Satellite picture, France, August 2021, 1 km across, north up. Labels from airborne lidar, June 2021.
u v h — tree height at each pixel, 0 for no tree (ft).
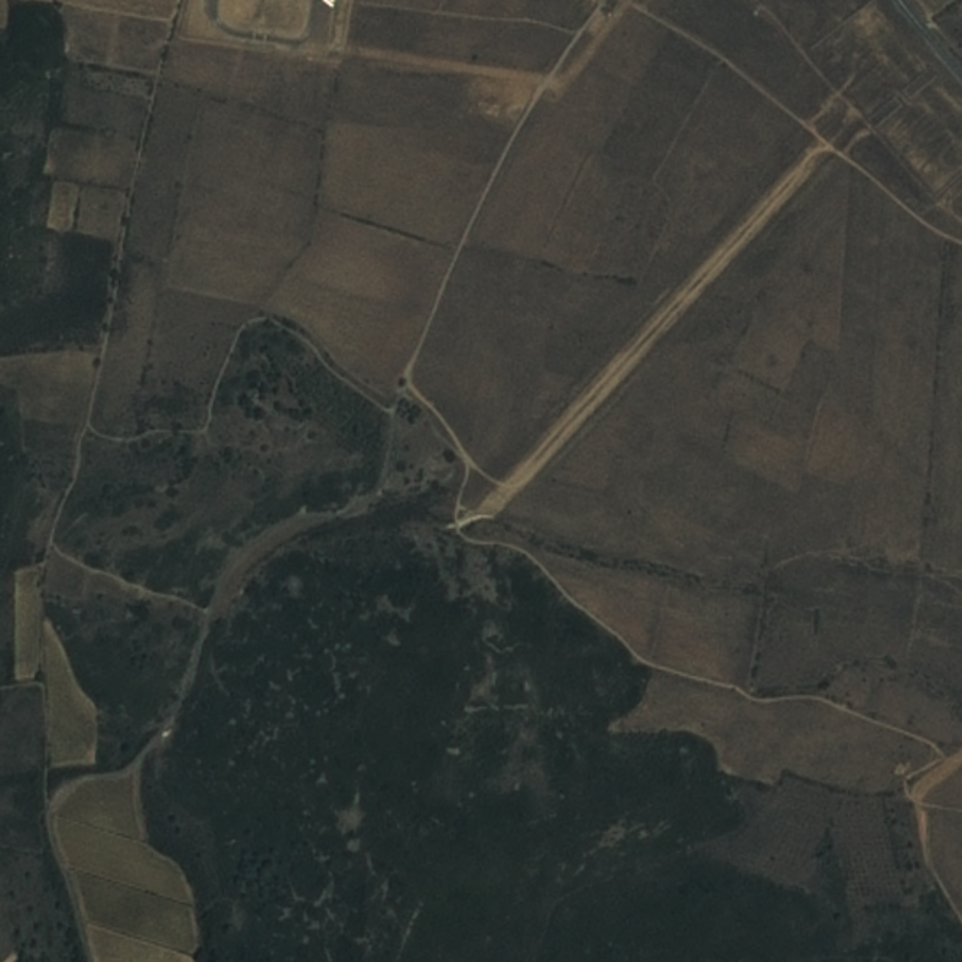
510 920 0
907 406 0
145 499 0
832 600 0
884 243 0
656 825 0
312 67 0
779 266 0
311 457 0
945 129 0
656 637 0
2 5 0
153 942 0
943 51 0
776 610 0
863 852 0
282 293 0
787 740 0
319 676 0
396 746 0
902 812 0
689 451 0
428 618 0
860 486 0
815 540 0
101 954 0
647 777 0
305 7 0
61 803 0
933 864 0
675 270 0
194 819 0
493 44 0
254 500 0
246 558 0
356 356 0
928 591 0
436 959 0
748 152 0
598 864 0
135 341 0
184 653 0
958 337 0
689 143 0
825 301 0
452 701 0
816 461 0
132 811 0
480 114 0
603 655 0
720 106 0
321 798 0
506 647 0
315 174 0
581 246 0
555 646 0
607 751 0
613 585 0
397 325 0
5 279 0
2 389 0
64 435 0
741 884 0
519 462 0
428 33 0
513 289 0
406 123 0
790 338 0
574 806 0
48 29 0
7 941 0
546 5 0
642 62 0
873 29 0
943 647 0
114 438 0
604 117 0
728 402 0
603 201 0
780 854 0
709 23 0
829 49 0
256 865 35
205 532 0
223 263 0
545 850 0
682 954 0
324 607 0
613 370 0
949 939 0
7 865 0
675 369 0
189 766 0
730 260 0
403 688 0
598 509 0
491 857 0
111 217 0
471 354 0
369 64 0
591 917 0
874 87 0
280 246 0
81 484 0
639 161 0
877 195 0
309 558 0
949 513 0
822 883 0
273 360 26
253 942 0
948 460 0
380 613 0
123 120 0
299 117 0
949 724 0
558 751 0
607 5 0
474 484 0
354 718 0
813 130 0
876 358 0
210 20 0
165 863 0
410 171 0
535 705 0
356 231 0
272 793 0
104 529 0
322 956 0
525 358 0
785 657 0
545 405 0
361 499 0
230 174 0
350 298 0
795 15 0
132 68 0
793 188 0
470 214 0
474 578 0
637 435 0
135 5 0
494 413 0
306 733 0
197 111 0
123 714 0
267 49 0
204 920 22
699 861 0
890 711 0
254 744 0
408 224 0
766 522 0
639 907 0
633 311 0
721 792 0
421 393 0
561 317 0
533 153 0
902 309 0
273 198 0
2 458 0
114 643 0
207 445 0
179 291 0
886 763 0
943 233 0
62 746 0
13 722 0
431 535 0
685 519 0
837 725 0
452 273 0
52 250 0
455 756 0
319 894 0
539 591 0
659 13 0
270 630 0
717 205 0
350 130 0
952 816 0
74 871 0
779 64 0
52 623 0
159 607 0
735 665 0
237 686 0
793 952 0
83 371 0
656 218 0
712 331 0
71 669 0
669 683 0
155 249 0
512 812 0
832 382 0
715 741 0
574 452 0
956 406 0
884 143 0
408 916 0
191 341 0
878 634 0
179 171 0
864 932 0
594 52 0
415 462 0
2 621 0
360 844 0
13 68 0
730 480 0
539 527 0
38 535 0
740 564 0
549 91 0
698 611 0
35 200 0
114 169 0
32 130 0
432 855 0
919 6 0
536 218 0
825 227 0
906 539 0
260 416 23
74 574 0
